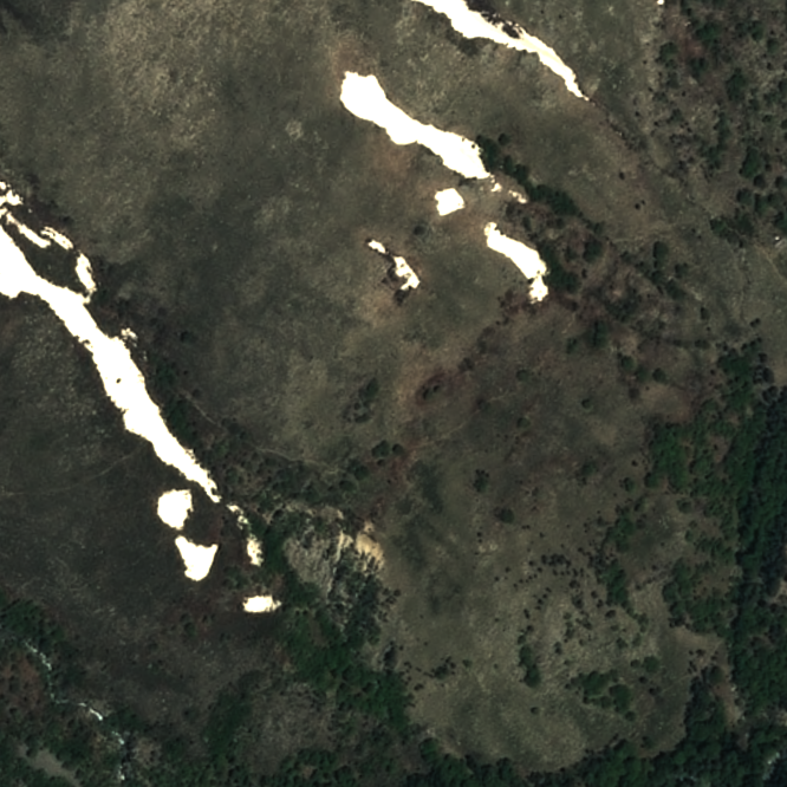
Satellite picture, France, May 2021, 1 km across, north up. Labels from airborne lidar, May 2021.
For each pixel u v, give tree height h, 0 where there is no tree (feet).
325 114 0
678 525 0
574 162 0
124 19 0
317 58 0
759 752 47
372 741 23
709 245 0
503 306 21
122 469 0
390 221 0
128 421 0
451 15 0
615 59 0
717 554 62
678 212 0
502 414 0
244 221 0
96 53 0
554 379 0
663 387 0
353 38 0
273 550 52
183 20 0
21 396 0
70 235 0
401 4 0
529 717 0
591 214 0
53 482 0
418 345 0
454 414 0
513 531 0
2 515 0
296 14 0
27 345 0
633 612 28
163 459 0
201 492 0
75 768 47
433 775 46
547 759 0
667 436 49
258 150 0
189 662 0
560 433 0
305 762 38
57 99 0
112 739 24
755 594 87
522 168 34
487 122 0
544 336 0
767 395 45
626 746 78
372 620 36
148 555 0
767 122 28
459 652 0
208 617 38
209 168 0
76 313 0
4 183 0
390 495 0
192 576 0
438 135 0
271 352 0
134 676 0
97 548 0
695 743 43
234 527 36
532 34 0
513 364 0
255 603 0
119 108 0
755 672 52
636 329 20
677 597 63
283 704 0
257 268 0
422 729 37
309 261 0
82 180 0
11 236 0
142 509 0
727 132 47
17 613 47
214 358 0
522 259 0
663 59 39
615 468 0
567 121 0
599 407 0
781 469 54
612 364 0
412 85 0
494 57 0
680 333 0
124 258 0
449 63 0
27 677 0
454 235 0
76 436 0
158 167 0
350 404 0
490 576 0
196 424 37
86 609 0
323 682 62
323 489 0
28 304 0
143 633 0
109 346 0
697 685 52
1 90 0
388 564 0
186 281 0
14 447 0
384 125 0
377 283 0
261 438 0
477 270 0
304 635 26
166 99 0
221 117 0
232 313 0
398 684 40
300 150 0
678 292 44
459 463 0
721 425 46
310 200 0
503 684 0
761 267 0
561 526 0
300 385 0
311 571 0
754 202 31
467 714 0
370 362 0
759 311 0
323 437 0
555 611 0
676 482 38
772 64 25
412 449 0
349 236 0
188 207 0
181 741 40
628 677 0
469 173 0
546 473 0
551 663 0
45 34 0
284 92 0
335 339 0
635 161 0
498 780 64
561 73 0
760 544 82
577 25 0
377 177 0
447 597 0
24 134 0
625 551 63
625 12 0
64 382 0
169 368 32
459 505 0
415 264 0
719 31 56
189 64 0
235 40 0
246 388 0
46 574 0
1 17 0
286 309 0
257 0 0
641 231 0
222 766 58
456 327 0
